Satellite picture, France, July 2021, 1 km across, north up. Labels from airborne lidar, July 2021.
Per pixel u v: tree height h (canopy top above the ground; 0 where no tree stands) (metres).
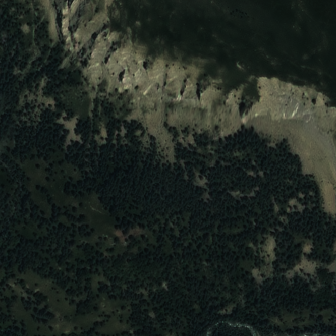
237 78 0
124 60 0
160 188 31
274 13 0
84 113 0
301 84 0
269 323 25
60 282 19
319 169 0
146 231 0
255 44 0
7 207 32
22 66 15
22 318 0
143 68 0
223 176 16
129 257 7
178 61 0
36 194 0
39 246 27
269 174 21
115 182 32
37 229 0
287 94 0
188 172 24
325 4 0
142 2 0
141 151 6
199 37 0
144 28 0
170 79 0
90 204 0
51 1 0
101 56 0
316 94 0
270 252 0
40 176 0
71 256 28
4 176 0
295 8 0
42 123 24
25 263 30
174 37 0
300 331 30
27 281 0
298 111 0
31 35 0
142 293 9
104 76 0
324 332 12
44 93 9
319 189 7
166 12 0
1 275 0
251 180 30
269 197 21
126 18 0
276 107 0
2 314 13
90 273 11
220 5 0
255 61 0
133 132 14
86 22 0
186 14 0
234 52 0
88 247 20
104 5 0
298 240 0
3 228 11
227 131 0
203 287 28
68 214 22
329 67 0
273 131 0
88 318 0
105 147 26
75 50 0
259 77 0
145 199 28
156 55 0
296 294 22
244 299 8
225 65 0
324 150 0
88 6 0
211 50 0
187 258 28
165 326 9
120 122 22
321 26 0
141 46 0
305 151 0
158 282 12
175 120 0
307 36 0
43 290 0
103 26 0
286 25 0
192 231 24
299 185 23
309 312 0
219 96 0
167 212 22
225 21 0
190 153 23
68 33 0
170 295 7
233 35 0
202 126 0
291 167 8
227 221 29
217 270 8
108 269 12
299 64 0
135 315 14
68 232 27
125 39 0
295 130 0
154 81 0
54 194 0
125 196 23
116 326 0
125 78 0
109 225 0
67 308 0
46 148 28
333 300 6
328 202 0
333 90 0
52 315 27
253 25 0
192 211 26
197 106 0
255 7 0
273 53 0
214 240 23
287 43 0
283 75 0
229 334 9
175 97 0
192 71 0
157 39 0
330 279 9
